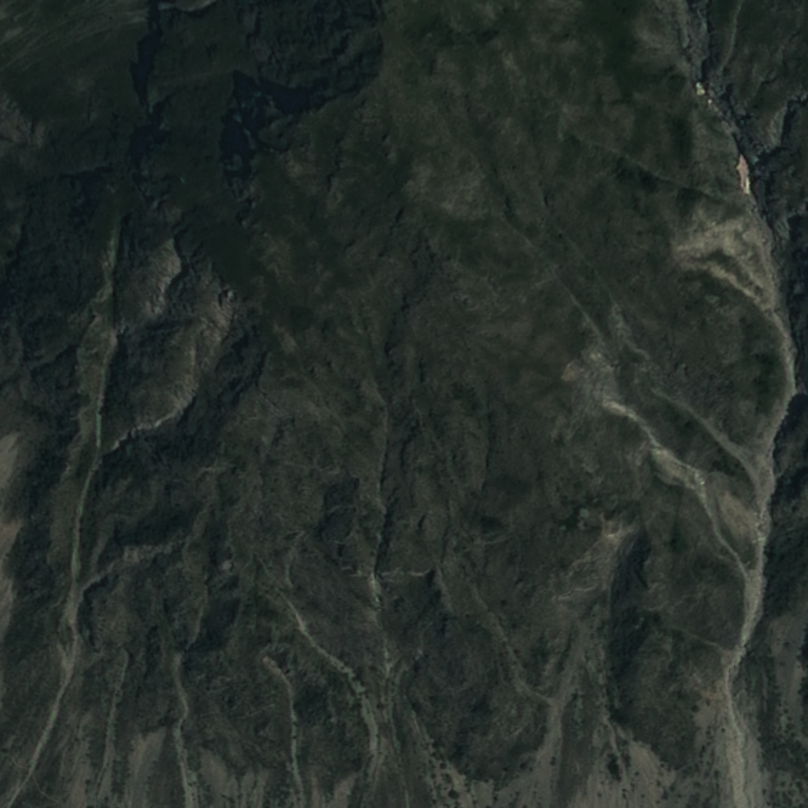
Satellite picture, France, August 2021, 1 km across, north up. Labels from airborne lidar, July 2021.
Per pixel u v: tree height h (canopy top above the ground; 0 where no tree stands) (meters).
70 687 0
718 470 8
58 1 0
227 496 13
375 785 0
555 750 0
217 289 0
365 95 0
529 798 0
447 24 0
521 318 0
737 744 0
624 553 0
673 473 0
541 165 0
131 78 0
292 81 0
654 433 0
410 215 0
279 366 0
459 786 0
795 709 0
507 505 0
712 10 0
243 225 0
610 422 0
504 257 0
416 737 0
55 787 0
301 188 0
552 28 0
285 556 0
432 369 0
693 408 0
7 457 0
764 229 0
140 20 0
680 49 0
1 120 0
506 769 7
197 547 7
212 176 0
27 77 0
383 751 0
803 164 0
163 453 7
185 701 0
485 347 0
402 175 0
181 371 0
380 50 0
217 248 0
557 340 0
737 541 0
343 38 0
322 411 0
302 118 0
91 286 0
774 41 0
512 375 0
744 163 0
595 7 0
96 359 6
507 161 0
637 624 9
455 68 0
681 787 0
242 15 0
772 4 0
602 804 0
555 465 0
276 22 0
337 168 0
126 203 0
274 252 0
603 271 0
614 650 7
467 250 0
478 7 0
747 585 0
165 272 0
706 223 0
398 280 0
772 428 0
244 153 0
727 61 0
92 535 6
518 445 0
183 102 0
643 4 0
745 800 0
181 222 0
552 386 0
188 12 0
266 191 0
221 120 0
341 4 0
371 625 0
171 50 0
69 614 0
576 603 0
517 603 0
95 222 0
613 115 0
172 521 6
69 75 0
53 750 0
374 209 0
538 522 0
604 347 0
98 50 0
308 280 0
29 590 6
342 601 0
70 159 0
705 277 7
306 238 0
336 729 8
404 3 0
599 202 0
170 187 0
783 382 0
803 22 0
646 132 0
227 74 0
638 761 0
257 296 0
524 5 0
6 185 0
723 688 0
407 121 0
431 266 6
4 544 0
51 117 0
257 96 0
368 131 0
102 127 0
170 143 0
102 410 10
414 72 0
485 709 9
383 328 0
